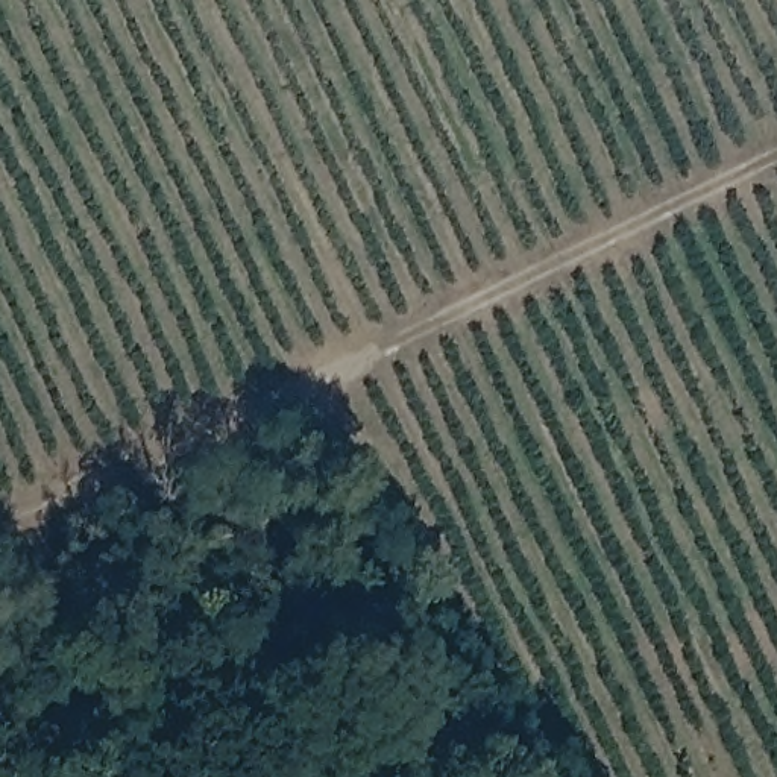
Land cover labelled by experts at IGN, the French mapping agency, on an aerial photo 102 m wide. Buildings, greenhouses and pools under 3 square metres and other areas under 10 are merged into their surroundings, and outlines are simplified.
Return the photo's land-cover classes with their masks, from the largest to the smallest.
<instances>
[{"label":"herbaceous vegetation","instance_id":"1","mask_svg":"<svg viewBox=\"0 0 777 777\"><path fill-rule=\"evenodd\" d=\"M9 27L21 42L33 73L39 76V85L58 112L61 131L79 155L85 176L112 231L118 234V243L124 246L137 276L143 279L152 297V310L161 322L167 343L179 358L188 392H194V404H176L170 373L146 328L140 300L131 291L127 279L118 273V264L106 240L100 237L94 219L82 203V194L73 185L70 167L55 149L46 121L39 118V109L27 85L21 82L18 64L9 58L0 39V70L12 85V94L18 97L24 118L36 143L42 146L52 170L58 173L64 194L73 206V215L79 219L88 243L97 252V261L131 322L134 340L152 364L158 389H164V401L152 413L137 367L127 358L121 337L97 294V285L85 270L76 243L67 234L55 197L42 182L33 158L27 155L12 124V112L0 100V127L6 131L21 170L30 176L49 228L70 270L79 279L91 319L106 349L112 352L115 367L140 413V425H127L121 419L115 395L100 364L94 361L82 325L76 322L70 294L58 279L52 261L46 258L39 234L27 219L15 182L0 161V203L6 206L9 222L15 228V240L58 316L61 337L70 346V355L76 358L91 398L97 401L109 425H118V440L112 446H97V428L82 410L70 373L64 370L49 340L46 322L39 319L36 304L24 285V276L18 273L0 234V267L18 294L27 325L33 328L42 358L58 382L64 407L70 410L82 437L94 446L88 455H79L73 449L70 434L64 431L52 407L33 355L0 291V325L9 334L12 349L24 364L27 379L55 434V452H46L36 425L15 389V379L6 361L0 358V392L6 398L9 413L15 416L18 434L33 464V480H21L18 458L12 455L6 431L0 425V534L12 540L15 555H24L30 568H42L55 580V610L70 622V631L79 637L88 628L100 601L121 595V589L106 574L97 577L94 571V562L121 537L118 531H103V525L97 522V501L112 495L115 489H124L137 495L140 510H167L170 522L179 525L185 519V504L191 492V464L200 461L203 452L234 446L231 437H222V422L240 413L234 385L219 352L215 334L194 300L191 282L182 264L176 261L173 243L152 206L146 185L134 170V161L97 94V85L85 70L82 55L73 46L67 18L55 0H3ZM39 18L46 21V30L64 61V70L76 82L79 97L88 106L115 167L121 170L131 194L140 203V219L134 222L127 219L124 203L115 197V188L109 185L97 155L91 152L76 115L67 106L61 85L49 70V61L39 52V42L30 30V24ZM140 231H152L155 237L164 267L179 291L182 307L188 310L200 349L209 361L219 398L197 392L200 382L194 361L188 355L176 316L170 313L161 285L152 276L149 258L140 246ZM109 79V88L149 161V170L182 225L188 249L228 328L240 364L249 370L243 382L252 395H282L297 389L300 395L316 398V407L322 410L319 431L325 434V443H337L346 434L355 443H367L370 449H376L379 461L401 483V489L413 495L416 480L410 473V464L389 437L376 407L370 404L364 379H349L340 389L337 382L319 379L316 373L340 355L376 346L382 328L376 322L382 310L395 307L398 313H404V307L416 310L422 297L434 300L449 294L452 267L461 261H467L470 270H498L531 246L543 249L558 234H574L577 222L595 231L610 219V206H622V200L628 197L622 194L613 176V161L601 140V131L595 118L586 112L583 94L574 88L568 67L552 46V36L534 0H194V9L206 33L212 36L215 49L222 52L231 79L243 91V100L270 152V161L276 164L282 185L294 203V212L307 225L310 243L337 297V307L349 319V331L334 328L310 279L304 255L291 240V231L276 203L264 167L252 155L246 137L234 140L231 152L237 155L246 182L258 197V206L267 215L282 261L294 273V282L313 319L322 328V343H313L304 334L288 294L282 291L279 276L273 273L258 243L252 215L225 161L215 152V140L203 124L194 91L188 85V73L179 61L173 39L164 33L158 21L152 0H127L152 58L161 64L164 76L173 85L191 137L200 146L225 194L234 222L246 237L261 282L279 310V319L291 340V349H285L273 337V328L243 270V261L225 225L219 222L215 203L194 161L185 152L182 134L173 124V115L167 112L161 88L155 85L149 67L140 61L134 36L127 33V24L115 0H100L115 39L121 42L161 121L170 152L200 203L203 222L231 270V279L237 282L264 346L276 361V367H252V346L243 337L237 313L219 285V276L203 252V243L194 234V222L176 191V182L170 179L140 109L131 100V91L85 0H70ZM580 9L619 79L625 103L631 106L640 124V134L653 152L662 182L674 179L677 173V167L668 158L665 140L643 103V91L634 82L628 61L616 46L604 6L598 0H580ZM637 55L643 58L656 82L665 112L677 127L689 170L704 164L695 149L689 121L680 109V100L671 88V79L665 73V64L659 61L656 46L643 30L634 0H613ZM659 9V30L668 36L671 55L680 61L683 79L698 103V112L707 118L713 140L725 134L710 100V91L701 79V67L689 55V46L677 30V21L689 18L701 39V49L713 61L725 97L731 100L747 131L744 143L750 146L762 134L777 131V0H653ZM753 231L759 234L771 264L777 267V246L765 228L762 206L756 197L744 203ZM738 258V267L753 282L759 307L777 337V307L759 264L753 261L750 246L741 240L728 215L725 200L713 209ZM656 234L665 237L662 249L671 255L674 270L692 300V310L701 316L704 331L731 385H716L710 367L692 343V334L665 285L653 246L640 255L643 267L653 276L668 325L674 328V337L683 346V355L710 404L716 428L722 431L735 455L738 473L750 492L756 516L762 519L771 543L777 546V513L762 489L759 473L753 470L744 452V434H753L777 480V443L762 425L759 407L744 385L741 364L728 352V343L701 291V282L686 264L680 237L674 234V222L662 225ZM634 307L637 325L643 328L653 358L683 416V425L695 440L707 464V473L719 492V501L753 558V568L765 586L768 601L777 610V583L735 501V492L722 470V458L704 431L701 413L662 346V337L643 300V288L634 276L622 282ZM598 313L610 328L622 352V361L628 364L631 382L640 395L637 404L625 401L616 407L622 431L628 434L631 449L650 486L656 489L662 516L671 525L677 546L683 549L698 586L707 595V604L719 622L738 674L747 680L765 722L777 735V713L753 671V662L741 637L728 622L707 562L701 558L683 516L677 513L674 486L659 461L650 431L656 428L662 434L665 449L680 473V483L704 525L710 546L719 555L725 577L731 580V589L777 683V646L771 643V634L750 598V589L731 558L728 543L716 528V519L698 483L692 480V470L674 440V431L662 413L656 392L650 389L637 349L622 319L616 316V307L604 282L592 288ZM522 349L528 352L531 367L549 392L555 416L565 425V434L577 458L583 461L598 492V501L610 519L613 534L619 537L634 568L653 619L671 650L674 668L701 716V728H695L680 710L674 686L662 671V662L631 607V598L616 568L604 552V543L583 507V498L540 416V407L522 382V373L501 340L495 319L483 325L489 346L504 370V379L513 389V398L531 434L540 440L543 458L555 473L562 495L571 504L574 522L580 525L598 571L604 574L619 604L622 619L634 634L637 653L677 728V741L668 744L622 656V646L601 610V601L592 592V583L580 571L537 477L525 461L504 401L498 398L492 376L486 373L483 358L473 346L470 322L452 325L446 328V334L455 340L458 355L486 401L498 440L510 452L519 483L531 498L562 568L571 574V583L577 586L595 619V628L607 650V662L616 680L625 686L634 716L653 753L659 756L665 777H738L731 756L719 741L716 719L704 704L692 680V671L683 659L680 637L671 625L659 586L653 583L643 549L637 546L616 504L610 480L592 452V443L577 413L565 401V389L555 376V367L537 340V331L525 319V310L510 319ZM777 416V379L762 349V340L753 337L744 343ZM434 370L443 379L446 398L498 495L501 513L510 522L513 537L543 589L549 616L580 656L586 686L598 701L610 738L616 741L631 777H650L628 735L622 731L613 695L598 677L595 650L586 631L580 628L571 604L558 592L522 513L516 510L507 489V477L501 464L492 458L489 443L477 425V416L458 392L455 373L440 349L431 358ZM367 376L379 382L407 440L416 446L434 489L440 492L464 540L477 577L486 586V595L504 625L510 650L519 656L528 680L537 683V707L546 741L565 747L571 731L580 728L589 738L595 759L607 768L610 759L598 744L586 707L577 701L568 665L558 656L546 625L537 619V610L531 607L525 586L519 583L504 552L501 534L486 510L483 492L443 422L440 404L419 364L410 370V379L434 422V431L470 495V507L492 546V555L504 571L516 601L522 604L528 625L546 646L568 710L574 713V719L568 722L562 710L552 704V692L540 686V668L525 637L519 634L513 613L501 601V592L461 516V507L434 452L422 437L413 410L407 407L392 361H376ZM331 525L325 513L304 507L297 513H282L267 522V543L273 549V562L282 568L288 558H294V549L307 528L325 531ZM361 562H370L382 574V586H331L325 580L316 586H291L288 592H282L276 622L270 625V637L264 640L255 662L261 680H270L273 671L297 659H325L328 646L337 637L367 634L373 643L392 640L398 625L404 622L398 616V604L407 589V571L392 574V562L382 558L370 534H364L358 537ZM200 601L185 592L179 610L155 607L158 643L188 637L191 625L200 622ZM692 634V650L701 662L710 689L725 701L731 725L747 747V759L756 777H777V771L750 716L744 713L741 698L719 671L710 650V637L701 628L698 610L692 607L683 613ZM18 689L30 686L24 680H12L6 671L0 674V725H6L15 713V707L6 704V695H15ZM112 731H124L121 719L109 713L103 695L73 692L67 704H49L39 716H30L27 731L6 744V753H46L61 759L94 756L103 738H109ZM194 716L191 710L164 704V725L152 731V738H158L161 744H176L185 731H191ZM446 728L455 735L458 744H464V765L489 762L486 741L492 735H504V716L498 710H467L461 719H446Z\"/></svg>","mask_w":777,"mask_h":777},{"label":"deciduous trees","instance_id":"2","mask_svg":"<svg viewBox=\"0 0 777 777\"><path fill-rule=\"evenodd\" d=\"M0 39L9 58L18 64L21 82L27 85L39 109V118L46 121L55 149L70 167L73 185L82 194V203L94 219L100 237L106 240L118 264V273L127 279L131 291L140 300L146 328L170 373L176 404H194V392H188L179 358L167 343L161 322L152 310V297L143 279L137 276L124 246L118 243V234L112 231L85 176L79 155L61 131L58 112L39 85V76L33 73L21 42L9 27L3 0H0ZM67 18L73 46L82 55L85 70L97 85V94L134 161V170L146 185L152 206L173 243L176 261L182 264L191 282L194 300L215 334L219 352L234 385L243 382L249 370L240 364L228 328L188 249L182 225L149 170V161L109 88V79L70 0H55ZM131 91V100L140 109L170 179L176 182V191L194 222V234L203 243V252L219 276V285L237 313L243 337L252 346V367H276V361L264 346L237 282L231 279V270L203 222L200 203L170 152L161 121L121 42L115 39L100 0H85ZM127 24V33L134 36L140 61L149 67L155 85L161 88L167 112L173 115V124L182 134L185 152L194 161L215 203L219 222L225 225L243 261V270L273 328V337L285 349H291V340L279 319V310L261 282L246 237L234 222L225 194L200 146L191 137L173 85L164 76L161 64L152 58L127 0H115ZM158 21L164 33L173 39L179 61L188 73V85L194 91L203 124L215 140V152L225 161L252 215L258 243L273 273L279 276L282 291L288 294L304 334L313 343H322V328L313 319L294 282V273L282 261L267 215L258 206V197L246 182L237 155L231 152L234 140L246 137L252 155L264 167L276 203L291 231V240L304 255L310 279L334 328L349 331V319L337 307V297L310 243L307 225L294 212V203L282 185L276 164L270 161V152L243 100V91L231 79L222 52L215 49L212 36L206 33L194 9V0H152ZM552 36V46L568 67L574 88L583 94L586 112L595 118L601 131V140L613 161V176L622 194L628 197L646 191L653 182H662L653 152L640 134V124L631 106L625 103L619 79L580 9V0H534ZM604 6L616 46L628 61L634 82L643 91V103L665 140L668 158L677 167V173L686 176L689 170L677 127L665 112L656 82L643 58L637 55L613 0H598ZM643 30L656 46L659 61L665 64V73L671 79V88L680 100V109L689 121L695 149L704 164L719 167V149L713 140L707 118L698 112V103L683 79L680 61L671 55L668 36L659 30V9L653 0H634ZM30 30L39 42V52L49 61V70L61 85L67 106L76 115L91 152L97 155L109 185L115 188V197L124 203L127 219L134 222L140 219V203L131 194L121 170L115 167L88 106L79 97L76 82L64 70V61L46 30V21L39 18L30 24ZM677 30L689 46V55L701 67V79L710 91V100L725 134L735 146L744 143L747 131L731 100L725 97L713 61L701 49V39L689 18L677 21ZM0 100L12 112V124L27 155L33 158L42 182L55 197L67 234L76 243L85 270L97 285V294L121 337L127 358L137 367L152 413L164 401V389H158L152 364L134 340L131 322L97 261V252L88 243L79 219L73 215V206L64 194L58 173L52 170L42 146L36 143L24 118L18 97L12 94V85L0 70ZM0 161L15 182L27 219L39 234L46 258L52 261L58 279L70 294L76 322L82 325L94 361L100 364L115 395L121 419L127 425H140V413L115 367L112 352L106 349L91 319L79 279L70 270L49 228L30 176L21 170L6 131L0 127ZM756 197L762 206L765 228L777 246V191L768 194L765 185H753ZM728 215L741 240L750 246L753 261L759 264L777 307V267L771 264L759 234L753 231L744 203L741 197L725 200ZM0 234L18 273L24 276V285L36 304L39 319L46 322L49 340L64 370L70 373L82 410L97 428V446H112L118 440V425H109L97 401L91 398L76 358L70 355V346L61 337L58 316L15 240V228L9 222L6 206L0 203ZM674 234L680 237L686 264L701 282V291L728 343V352L741 364L744 385L759 407L762 425L777 443V416L744 343L753 337L762 340V349L777 379V337L759 307L753 282L738 267V258L713 209L698 206L686 219L677 215L674 222ZM140 246L149 258L152 276L161 285L170 313L176 316L188 355L194 361L200 382L197 392L219 398L209 361L200 349L188 310L182 307L179 291L164 267L155 237L152 231H140ZM665 237L656 234L653 246L665 285L692 334V343L710 367L716 385H731L704 331L701 316L692 310V300L674 270L671 255L662 249ZM634 276L643 288V300L662 337V346L701 413L704 431L722 458V470L735 492V501L777 583V546L771 543L762 519L756 516L750 492L738 473L735 455L722 431L716 428L710 404L683 355V346L674 337V328L668 325L653 276L643 267L640 255H631ZM604 282L616 307V316L622 319L637 349L650 389L656 392L662 413L674 431V440L692 470V480L698 483L716 519V528L728 543L731 558L750 589V598L771 634V643L777 646V610L768 601L765 586L753 568V558L719 501V492L707 473V464L695 440L683 425V416L653 358L643 328L637 325L634 307L622 282L616 276V267L607 261L601 264ZM0 291L33 355L52 407L64 431L70 434L73 449L79 455H88L94 446L82 437L70 410L64 407L58 382L42 358L33 328L27 325L18 294L0 267ZM552 288L546 297L534 300L525 294V319L537 331V340L555 367V376L565 389V401L577 413L592 443V452L610 480L616 504L637 546L643 549L653 583L659 586L671 625L680 637L683 659L692 671V680L704 704L716 719L719 741L731 756L738 777H756L747 759V747L731 725L725 701L710 689L701 662L692 650V634L683 613L692 607L698 610L701 628L710 637V650L719 671L741 698L744 713L750 716L777 771V735L765 722L747 680L738 674L719 622L707 604V595L698 586L683 549L677 546L671 525L662 516L656 489L650 486L631 449L628 434L622 431L616 407L625 401L637 404L640 395L631 382L628 364L622 361V352L610 328L598 313L592 288L586 273L574 267L571 273H558L549 282ZM495 319L501 340L522 373V382L540 407V416L583 498V507L604 543V552L616 568L631 598V607L662 662V671L674 686L680 710L695 728H701V716L674 668L671 650L653 619L634 568L619 537L613 534L610 519L598 501V492L583 461L577 458L565 434V425L555 416L549 392L531 367L528 352L522 349L510 319L504 307H495ZM473 346L483 358L486 373L492 376L498 398L504 401L525 461L537 477L580 571L592 583V592L601 601V610L622 646V656L668 744L677 741V728L637 653L634 634L622 619L619 604L604 574L598 571L580 525L574 522L571 504L562 495L555 473L543 458L540 440L531 434L513 398V389L504 379V370L489 346L483 325L470 322ZM0 358L6 361L15 379V389L36 425L46 452H55V434L27 379L24 364L12 349L9 334L0 325ZM440 349L455 373L458 392L477 416V425L489 443L492 458L501 464L507 477V489L516 510L522 513L558 592L571 604L580 628L586 631L595 650L598 677L613 695L622 731L628 735L650 777H665L659 756L653 753L634 716L625 686L616 680L607 662V650L595 628V619L577 586L571 583V574L562 568L531 498L519 483L510 452L498 440L486 401L458 355L455 340L446 334H440ZM419 364L440 404L443 422L483 492L486 510L501 534L504 552L519 583L525 586L531 607L537 610V619L546 625L558 656L568 665L577 701L586 707L598 744L610 759L607 768L595 759L589 738L580 728L571 731L565 747L546 741L537 707V683L528 680L519 656L510 650L504 625L486 595V586L477 577L464 540L440 492L434 489L416 446L407 440L379 382L367 376L364 379L370 404L376 407L389 437L410 464V473L416 480L413 495L401 489V483L379 461L376 449H370L367 443H355L346 434L337 443H325V434L319 431L322 410L316 407L300 404L294 410H279L273 419H264L258 425L255 437H246L234 446L203 452L200 461L191 464V492L185 504V519L179 525L170 522L167 510H140L137 495L124 489H115L112 495L97 501V522L103 525V531H118L121 537L94 562V571L97 577L106 574L121 589V595L100 601L88 628L79 637L70 631V622L55 610V580L42 568H30L24 555H15L12 540L0 534V674L6 671L12 680H24L30 686L18 689L15 695H6V704L15 707V713L6 725H0V777H631L616 741L610 738L598 701L586 686L580 656L549 616L543 589L513 537L510 522L501 513L498 495L446 398L443 379L434 370L431 358L428 352H419ZM304 507L325 513L331 525L325 531L307 528L294 549V558H288L282 568L273 562V549L267 543V522L282 513H297ZM364 534H370L382 558L392 562V574L407 571V589L398 604V616L404 622L398 625L392 640L373 643L367 634L337 637L328 646L325 659H297L273 671L270 680H261L255 662L264 640L270 637V625L276 622L282 592H288L291 586H316L325 580L331 586H382V574L370 562H361L358 537ZM185 592L200 601V622L191 625L188 637L158 643L155 607L179 610ZM73 692L103 695L109 713L121 719L124 731H112L109 738H103L94 756L61 759L46 753H6V744L27 731L30 716H39L49 704H67ZM164 704L191 710L194 716L191 731H185L176 744H161L158 738H152V731L164 725ZM467 710H498L504 716V735H492L486 741L489 762L464 765V744H458L455 735L446 728V719H461ZM407 407L413 410L422 437L434 452L461 507V516L501 592V601L513 613L519 634L525 637L540 668V686L552 692V704L562 710L568 722L574 719V713L568 710L546 646L528 625L522 604L516 601L504 571L492 555V546L470 507V495L434 431V422L410 379V370L404 367V361H392ZM0 425L6 431L12 455L18 458L21 480H33V464L18 434L15 416L9 413L6 398L0 392ZM659 461L674 486L677 513L683 516L701 558L707 562L728 622L741 637L753 662V671L777 713V683L731 589V580L725 577L719 555L710 546L704 525L680 483V473L665 449L662 434L656 428L650 431ZM744 452L753 470L759 473L762 489L777 513V480L753 434H744Z\"/></svg>","mask_w":777,"mask_h":777},{"label":"pervious surface","instance_id":"3","mask_svg":"<svg viewBox=\"0 0 777 777\"><path fill-rule=\"evenodd\" d=\"M719 149V167L704 164L689 170L686 176L677 173L674 179L662 182H653L646 191L628 197L622 200V206H610V219L595 231L577 222L574 234H558L543 249L531 246L498 270H470L467 261H461L452 267L449 294L434 300L422 297L416 310L404 307V313H398L395 307L382 310L376 322L382 328L376 346L340 355L316 373L319 379L337 382L340 389L349 379H364L367 376L376 361H404V367L410 370L419 364V352H428L431 358L440 349V334H446V328L452 325L470 322L483 325L495 319V307H504L510 319L525 310V294L534 300L546 297L552 288L549 282L558 273H571L574 267L586 273L592 288L604 282L601 264L607 261L616 267V276L622 282L634 276L631 255H640L653 246L656 234L662 225L674 222L677 215L686 219L698 206L713 209L725 200L741 197L744 203L756 197L753 185H765L768 194L777 191V131L762 134L750 146L744 143L735 146L725 134L713 140ZM240 413L222 422V437H231L234 446L246 437H255L258 425L264 419H273L279 410H294L300 404L316 407V398L300 395L297 389L282 395H252L243 382L234 385Z\"/></svg>","mask_w":777,"mask_h":777}]
</instances>
